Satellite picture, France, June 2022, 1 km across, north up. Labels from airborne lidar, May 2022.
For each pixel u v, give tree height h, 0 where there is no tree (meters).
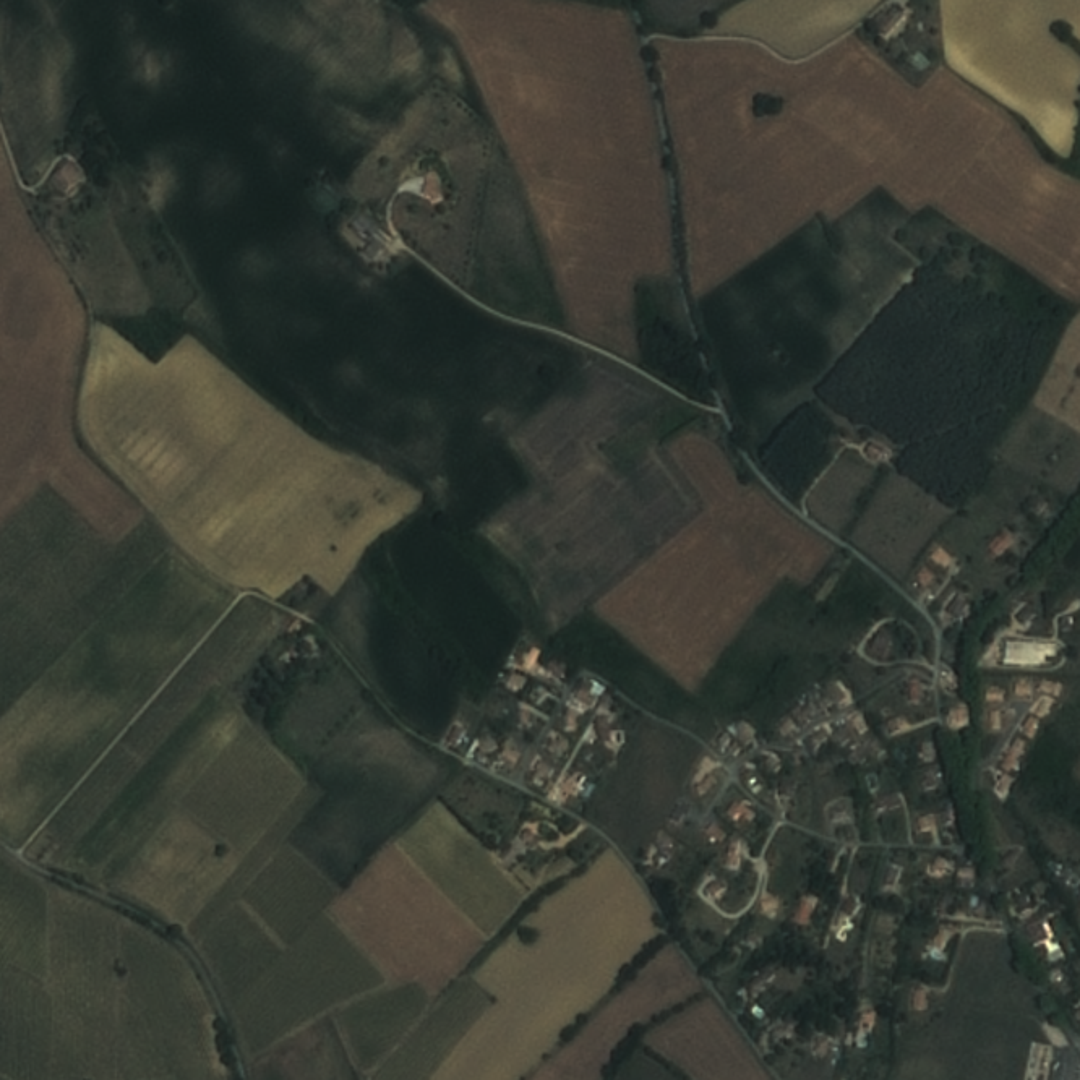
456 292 0
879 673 8
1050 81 0
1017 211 0
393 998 0
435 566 0
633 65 0
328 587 0
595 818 0
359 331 0
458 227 0
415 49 0
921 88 0
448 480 0
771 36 0
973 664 21
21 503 0
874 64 0
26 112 0
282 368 0
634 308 0
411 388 0
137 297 0
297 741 0
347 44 0
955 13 0
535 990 0
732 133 0
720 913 0
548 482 0
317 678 7
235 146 0
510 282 0
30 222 0
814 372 0
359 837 0
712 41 0
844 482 0
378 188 0
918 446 15
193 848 0
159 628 0
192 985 0
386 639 0
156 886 0
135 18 0
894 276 0
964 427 13
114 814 0
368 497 0
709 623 0
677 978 0
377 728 0
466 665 7
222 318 0
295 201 0
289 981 0
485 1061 0
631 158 0
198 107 0
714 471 0
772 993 9
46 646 0
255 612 0
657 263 0
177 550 0
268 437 0
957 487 15
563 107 0
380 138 0
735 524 0
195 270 0
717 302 0
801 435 21
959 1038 0
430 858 0
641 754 0
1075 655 19
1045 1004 20
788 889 0
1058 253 0
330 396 0
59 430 0
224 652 0
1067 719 0
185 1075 0
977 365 15
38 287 0
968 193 0
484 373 0
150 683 0
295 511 0
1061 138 0
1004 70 0
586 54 0
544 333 0
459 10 0
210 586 0
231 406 0
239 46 0
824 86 0
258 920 0
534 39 0
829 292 0
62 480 0
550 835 7
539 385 0
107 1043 0
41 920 0
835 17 0
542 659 6
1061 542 19
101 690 0
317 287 0
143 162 0
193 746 0
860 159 0
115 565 0
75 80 0
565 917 0
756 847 8
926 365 16
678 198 9
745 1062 0
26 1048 0
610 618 0
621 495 0
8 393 0
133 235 0
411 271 0
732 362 0
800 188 0
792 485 20
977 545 0
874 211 0
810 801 0
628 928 0
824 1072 0
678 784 0
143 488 0
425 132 0
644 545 0
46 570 0
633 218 0
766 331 0
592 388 0
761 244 0
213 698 0
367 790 0
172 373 0
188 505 0
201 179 0
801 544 0
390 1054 0
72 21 0
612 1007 0
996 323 12
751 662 0
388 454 0
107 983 0
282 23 0
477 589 0
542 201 0
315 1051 0
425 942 0
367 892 0
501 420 0
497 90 0
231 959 0
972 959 0
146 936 0
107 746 0
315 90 0
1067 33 14
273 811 0
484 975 0
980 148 0
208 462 0
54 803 0
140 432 0
